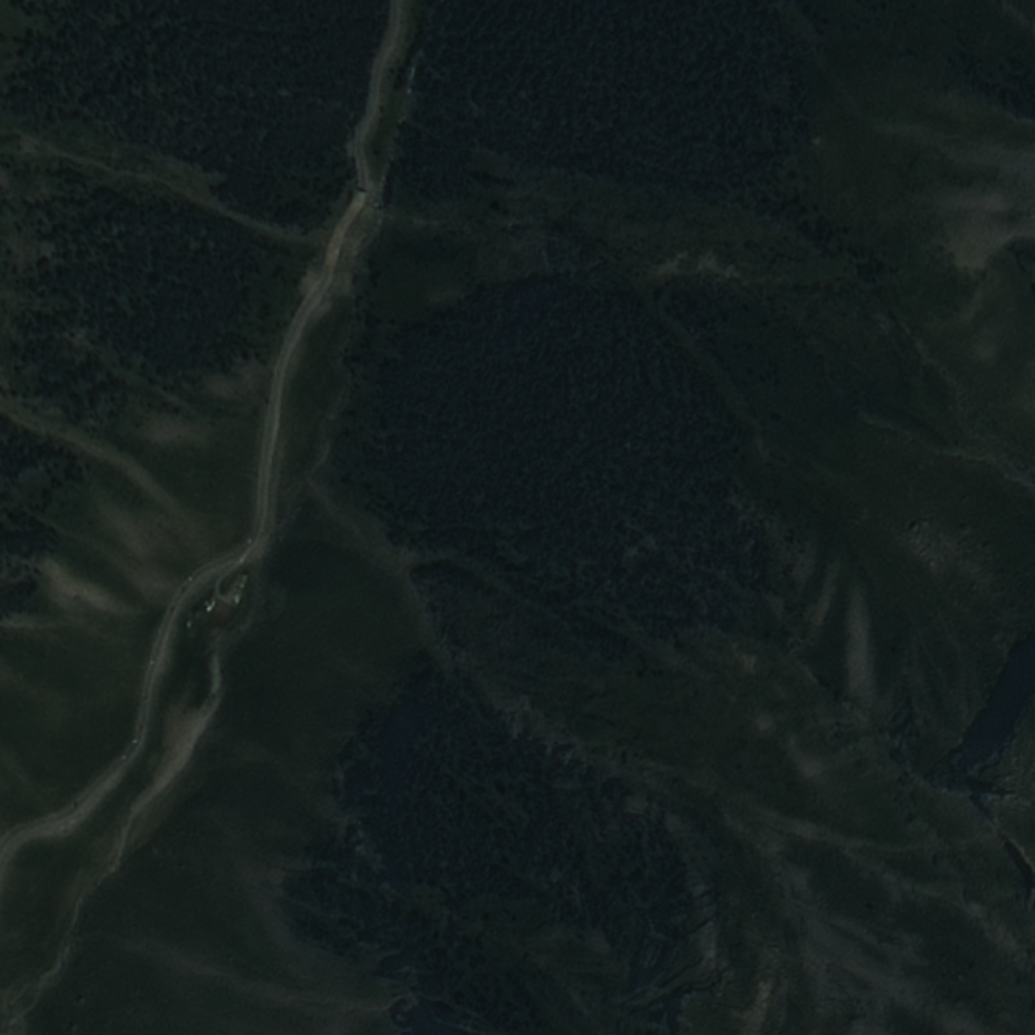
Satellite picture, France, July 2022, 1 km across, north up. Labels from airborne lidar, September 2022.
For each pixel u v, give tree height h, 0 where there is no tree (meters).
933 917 0
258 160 7
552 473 12
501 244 0
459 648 7
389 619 0
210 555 0
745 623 0
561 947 0
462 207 0
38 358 11
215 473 0
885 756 0
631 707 0
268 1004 0
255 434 0
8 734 0
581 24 15
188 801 0
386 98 0
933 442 0
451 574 6
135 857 0
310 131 13
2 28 0
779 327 0
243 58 11
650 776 0
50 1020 0
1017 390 0
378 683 0
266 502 0
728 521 8
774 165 7
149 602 0
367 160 0
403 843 12
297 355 0
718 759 0
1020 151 0
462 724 9
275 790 0
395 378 9
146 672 0
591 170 7
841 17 0
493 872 12
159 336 14
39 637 0
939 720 0
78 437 0
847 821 0
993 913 0
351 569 0
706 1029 0
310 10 13
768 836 0
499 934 0
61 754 0
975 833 0
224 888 0
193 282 15
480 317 15
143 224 12
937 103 0
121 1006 0
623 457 9
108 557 0
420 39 8
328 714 0
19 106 13
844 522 0
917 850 0
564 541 10
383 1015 0
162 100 8
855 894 0
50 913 0
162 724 0
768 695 0
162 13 12
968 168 0
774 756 0
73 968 0
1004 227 0
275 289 0
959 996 0
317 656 0
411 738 10
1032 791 0
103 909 0
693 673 0
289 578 0
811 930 0
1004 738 35
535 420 11
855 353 0
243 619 0
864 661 0
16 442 14
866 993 0
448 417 12
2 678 0
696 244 0
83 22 6
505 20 13
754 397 0
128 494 0
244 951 0
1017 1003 0
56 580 0
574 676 0
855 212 0
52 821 0
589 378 11
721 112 10
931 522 0
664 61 9
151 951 0
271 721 0
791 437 0
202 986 0
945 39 0
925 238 0
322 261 0
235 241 11
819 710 0
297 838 0
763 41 14
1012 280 0
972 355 0
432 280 0
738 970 0
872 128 0
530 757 11
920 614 0
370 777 7
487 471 9
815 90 0
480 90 18
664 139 12
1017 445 0
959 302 0
